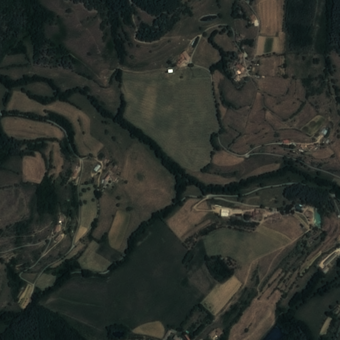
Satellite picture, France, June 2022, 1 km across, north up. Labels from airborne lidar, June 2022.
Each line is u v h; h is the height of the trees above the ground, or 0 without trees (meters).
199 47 0
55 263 0
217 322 0
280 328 8
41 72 0
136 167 0
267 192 0
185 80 0
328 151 0
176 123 0
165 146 0
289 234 0
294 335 13
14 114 11
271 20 0
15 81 13
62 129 8
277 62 0
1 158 12
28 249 0
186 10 11
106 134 7
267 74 0
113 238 0
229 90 0
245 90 0
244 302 6
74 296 0
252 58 0
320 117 0
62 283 22
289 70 0
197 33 0
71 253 0
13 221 0
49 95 0
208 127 0
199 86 0
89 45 0
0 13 10
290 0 10
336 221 0
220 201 0
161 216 19
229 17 0
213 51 0
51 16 13
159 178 0
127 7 27
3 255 0
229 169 0
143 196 0
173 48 0
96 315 0
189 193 0
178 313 0
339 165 0
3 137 23
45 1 0
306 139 0
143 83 0
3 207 0
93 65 0
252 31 0
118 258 0
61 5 0
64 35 0
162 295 0
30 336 19
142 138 22
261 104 0
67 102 11
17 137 0
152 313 0
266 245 0
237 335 0
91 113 0
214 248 0
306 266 0
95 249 0
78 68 0
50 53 16
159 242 0
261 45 0
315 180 20
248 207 0
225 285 0
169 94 0
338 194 15
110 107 0
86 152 0
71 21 0
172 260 0
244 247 0
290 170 18
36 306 19
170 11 25
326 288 16
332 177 0
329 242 0
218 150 15
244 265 0
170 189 0
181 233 0
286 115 0
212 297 0
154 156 0
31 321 15
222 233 0
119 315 0
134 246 21
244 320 0
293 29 9
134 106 0
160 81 0
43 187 13
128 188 0
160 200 0
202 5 0
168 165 17
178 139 0
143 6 27
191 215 0
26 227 8
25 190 0
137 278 0
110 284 0
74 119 0
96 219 12
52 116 7
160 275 0
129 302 0
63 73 0
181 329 6
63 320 9
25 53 13
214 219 0
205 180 0
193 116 0
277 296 0
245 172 0
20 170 0
